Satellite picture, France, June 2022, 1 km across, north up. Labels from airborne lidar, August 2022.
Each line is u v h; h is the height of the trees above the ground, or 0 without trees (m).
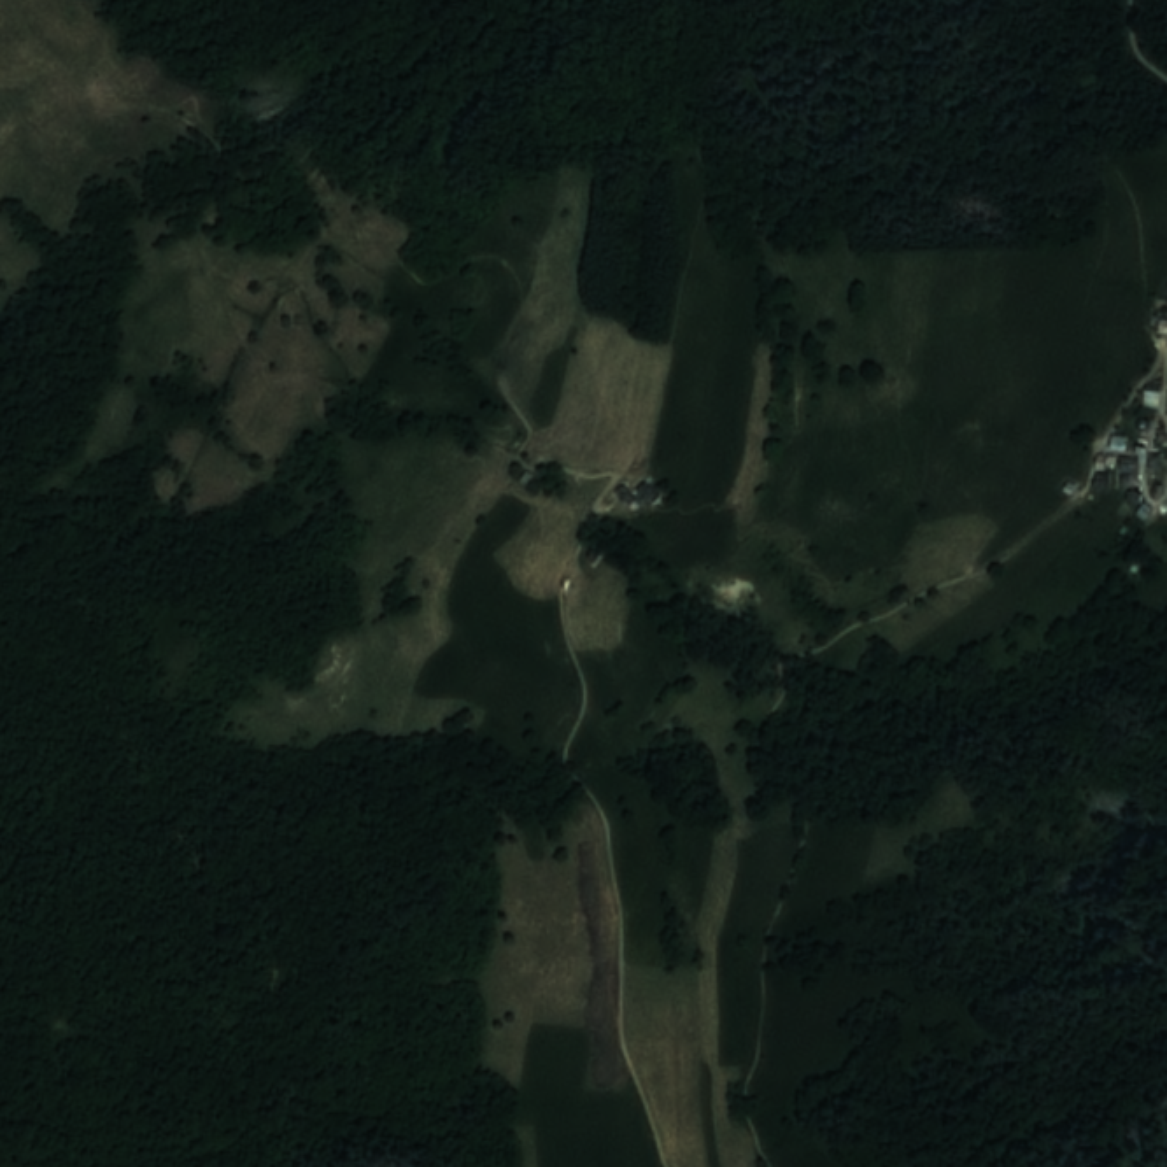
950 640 0
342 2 16
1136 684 23
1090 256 0
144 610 10
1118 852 14
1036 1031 32
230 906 10
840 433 0
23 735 9
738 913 0
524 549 0
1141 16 28
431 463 0
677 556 0
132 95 0
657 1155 0
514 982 0
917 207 25
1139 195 0
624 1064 0
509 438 0
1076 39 18
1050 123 20
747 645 14
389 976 10
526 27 9
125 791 8
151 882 10
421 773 18
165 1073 14
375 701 0
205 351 0
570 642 0
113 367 10
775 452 21
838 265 0
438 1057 15
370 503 0
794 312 17
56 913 11
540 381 0
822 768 15
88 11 0
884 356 0
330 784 14
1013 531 0
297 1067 15
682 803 22
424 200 12
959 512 0
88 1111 13
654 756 22
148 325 0
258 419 0
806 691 16
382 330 0
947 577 0
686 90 21
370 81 16
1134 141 14
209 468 0
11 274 0
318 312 0
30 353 15
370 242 0
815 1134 22
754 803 16
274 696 0
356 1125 14
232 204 10
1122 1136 15
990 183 22
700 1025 0
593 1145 0
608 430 0
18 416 10
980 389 0
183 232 14
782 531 0
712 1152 0
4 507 15
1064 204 23
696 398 0
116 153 0
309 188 12
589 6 13
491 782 11
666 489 11
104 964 15
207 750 9
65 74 0
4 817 11
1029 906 29
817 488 0
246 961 13
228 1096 13
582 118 16
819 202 20
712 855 0
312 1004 14
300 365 0
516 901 0
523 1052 0
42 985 11
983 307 0
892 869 0
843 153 32
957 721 19
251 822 7
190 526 10
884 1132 23
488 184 13
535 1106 0
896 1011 10
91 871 9
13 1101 10
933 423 0
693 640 17
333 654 0
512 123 12
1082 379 0
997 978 27
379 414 16
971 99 18
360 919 15
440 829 18
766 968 10
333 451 11
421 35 20
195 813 11
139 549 9
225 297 0
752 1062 0
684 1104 0
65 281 11
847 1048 0
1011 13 29
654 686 0
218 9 15
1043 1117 11
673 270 22
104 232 11
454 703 0
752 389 0
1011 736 11
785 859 0
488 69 18
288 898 13
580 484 0
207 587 11
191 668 6
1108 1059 21
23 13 0
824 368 15
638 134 18
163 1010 10
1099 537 0
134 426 6
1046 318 0
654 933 0
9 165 0
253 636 9
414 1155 15
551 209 0
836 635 6
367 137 12
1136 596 19
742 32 23
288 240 11
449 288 0
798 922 0
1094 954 20
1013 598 0
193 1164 10
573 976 0
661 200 20
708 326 0
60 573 14
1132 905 18
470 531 0
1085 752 12
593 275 21
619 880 0
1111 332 0
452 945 17
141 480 11
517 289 0
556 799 14
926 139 17
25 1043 14
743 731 21
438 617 0
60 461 12
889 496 0
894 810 21
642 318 14
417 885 17
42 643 11
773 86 31
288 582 8
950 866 20
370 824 9
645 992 0
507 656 0
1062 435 0
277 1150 19
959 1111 27
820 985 15
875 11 20
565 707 0
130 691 13
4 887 11
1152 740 19
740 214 17
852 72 23
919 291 0
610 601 0
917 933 20
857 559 0
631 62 15
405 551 0
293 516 12
